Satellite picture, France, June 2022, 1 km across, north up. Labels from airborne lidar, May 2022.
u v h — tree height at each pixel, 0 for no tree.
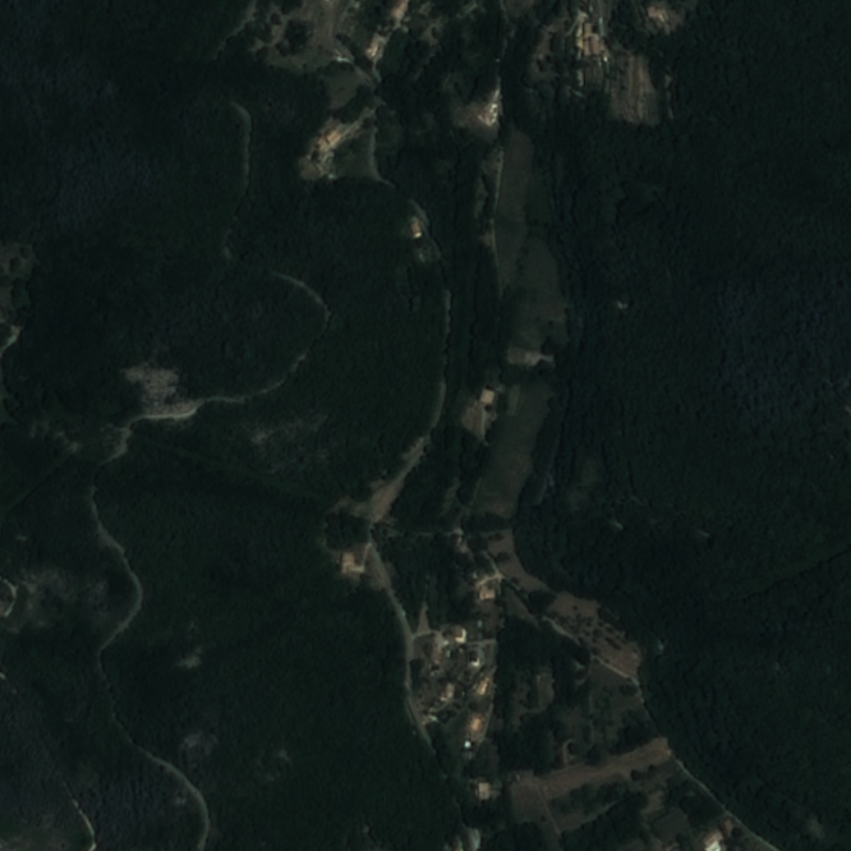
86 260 21
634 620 17
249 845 13
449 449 16
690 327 15
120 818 17
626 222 21
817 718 13
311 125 11
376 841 15
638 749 10
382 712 12
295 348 17
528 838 14
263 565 10
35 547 13
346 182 21
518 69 19
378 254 16
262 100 14
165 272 22
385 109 12
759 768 20
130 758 13
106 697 18
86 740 16
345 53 0
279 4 7
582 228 20
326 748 16
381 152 10
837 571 18
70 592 7
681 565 28
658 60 7
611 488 14
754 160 19
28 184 12
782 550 17
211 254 27
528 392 0
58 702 16
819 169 15
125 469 20
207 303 13
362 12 6
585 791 7
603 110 12
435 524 10
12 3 20
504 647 14
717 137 10
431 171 10
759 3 18
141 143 25
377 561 0
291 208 24
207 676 11
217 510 14
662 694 16
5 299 0
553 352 14
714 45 16
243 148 17
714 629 16
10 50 14
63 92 15
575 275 13
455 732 0
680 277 10
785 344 23
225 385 11
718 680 18
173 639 9
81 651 23
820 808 18
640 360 15
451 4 7
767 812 19
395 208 12
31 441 14
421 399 17
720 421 17
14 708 14
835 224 10
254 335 10
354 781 14
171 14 20
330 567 17
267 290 12
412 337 18
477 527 18
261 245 15
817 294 18
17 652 13
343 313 16
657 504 17
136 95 21
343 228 25
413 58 17
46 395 14
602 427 16
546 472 18
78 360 17
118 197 18
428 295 16
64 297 24
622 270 17
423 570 8
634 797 10
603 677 0
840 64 16
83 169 21
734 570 14
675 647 18
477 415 0
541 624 5
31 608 0
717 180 15
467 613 14
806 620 17
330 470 15
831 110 18
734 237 11
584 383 11
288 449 9
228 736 9
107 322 21
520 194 0
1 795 6
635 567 22
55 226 14
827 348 26
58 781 11
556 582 16
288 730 10
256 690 13
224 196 21
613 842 17
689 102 10
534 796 0
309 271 16
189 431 12
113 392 17
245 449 10
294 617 14
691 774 9
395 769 14
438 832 16
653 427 14
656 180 15
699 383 10
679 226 11
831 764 18
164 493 17
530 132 14
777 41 9
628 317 16
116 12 9
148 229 22
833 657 17
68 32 12
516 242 0
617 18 11
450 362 12
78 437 12
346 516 12
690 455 17
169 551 8
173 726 13
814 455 14
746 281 16
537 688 13
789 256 8
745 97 15
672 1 9
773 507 17
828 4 13
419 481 17
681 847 8
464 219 15
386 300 14
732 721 13
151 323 19
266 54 14
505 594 7
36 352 22
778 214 11
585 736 6
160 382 0
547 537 10
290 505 17
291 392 17
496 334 19
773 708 15
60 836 0
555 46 11
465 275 12
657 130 9
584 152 14
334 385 18
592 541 15
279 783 8
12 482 17
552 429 10
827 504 23
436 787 17
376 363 17
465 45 12
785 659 16
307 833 18
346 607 15
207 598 13
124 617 9
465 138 12
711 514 23
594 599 14
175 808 8
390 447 22
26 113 20
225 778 8
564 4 11
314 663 14
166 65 20
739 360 19
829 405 13
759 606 14
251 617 13
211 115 16
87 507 12
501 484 0
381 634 12
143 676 17
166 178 20
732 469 22
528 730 6
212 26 10
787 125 15
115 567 10
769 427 21
